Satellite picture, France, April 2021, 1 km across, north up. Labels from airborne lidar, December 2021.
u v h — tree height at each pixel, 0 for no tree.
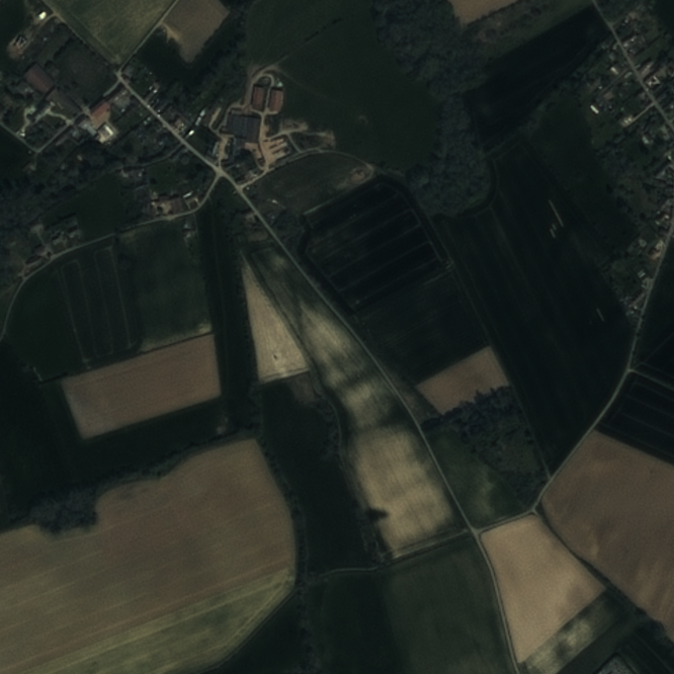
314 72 0
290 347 0
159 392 0
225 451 0
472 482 0
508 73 0
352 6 0
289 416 0
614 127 8
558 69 0
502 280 0
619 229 0
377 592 0
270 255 0
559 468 0
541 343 0
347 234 0
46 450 0
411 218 0
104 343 0
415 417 0
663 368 0
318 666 12
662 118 7
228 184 0
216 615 0
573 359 0
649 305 0
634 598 0
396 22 25
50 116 0
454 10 13
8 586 0
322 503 0
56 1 0
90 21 0
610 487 0
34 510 18
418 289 0
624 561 0
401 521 0
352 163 0
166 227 0
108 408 0
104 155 9
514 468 0
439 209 17
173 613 0
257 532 0
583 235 0
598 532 0
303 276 0
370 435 0
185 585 0
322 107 0
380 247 0
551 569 0
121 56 0
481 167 26
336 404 0
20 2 0
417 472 0
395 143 0
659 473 0
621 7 23
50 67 7
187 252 0
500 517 0
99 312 0
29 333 0
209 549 0
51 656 0
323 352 0
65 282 0
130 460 0
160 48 0
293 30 0
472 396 0
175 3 0
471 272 0
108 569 0
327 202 0
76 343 0
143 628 0
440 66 13
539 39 0
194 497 0
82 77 0
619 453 0
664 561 0
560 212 0
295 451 0
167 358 0
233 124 0
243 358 0
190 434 0
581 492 0
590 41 0
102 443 0
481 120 0
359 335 0
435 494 0
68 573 0
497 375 0
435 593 0
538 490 9
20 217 21
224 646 0
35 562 0
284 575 0
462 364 0
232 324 0
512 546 0
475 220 0
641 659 0
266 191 0
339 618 0
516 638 0
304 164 0
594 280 0
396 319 0
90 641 0
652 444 0
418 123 0
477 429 26
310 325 0
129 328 0
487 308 0
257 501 0
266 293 0
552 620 0
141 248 0
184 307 0
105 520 0
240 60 15
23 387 0
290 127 0
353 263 0
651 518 0
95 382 0
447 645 0
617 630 0
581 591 0
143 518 0
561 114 0
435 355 0
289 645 0
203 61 0
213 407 0
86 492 19
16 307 0
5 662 0
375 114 0
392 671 0
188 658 0
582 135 0
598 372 0
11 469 0
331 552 0
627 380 0
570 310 0
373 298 0
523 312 0
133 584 0
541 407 0
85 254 0
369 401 0
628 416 0
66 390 0
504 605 0
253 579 0
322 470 0
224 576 0
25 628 0
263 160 0
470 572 0
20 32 0
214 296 0
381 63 0
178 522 0
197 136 0
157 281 0
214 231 0
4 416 0
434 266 0
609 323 0
